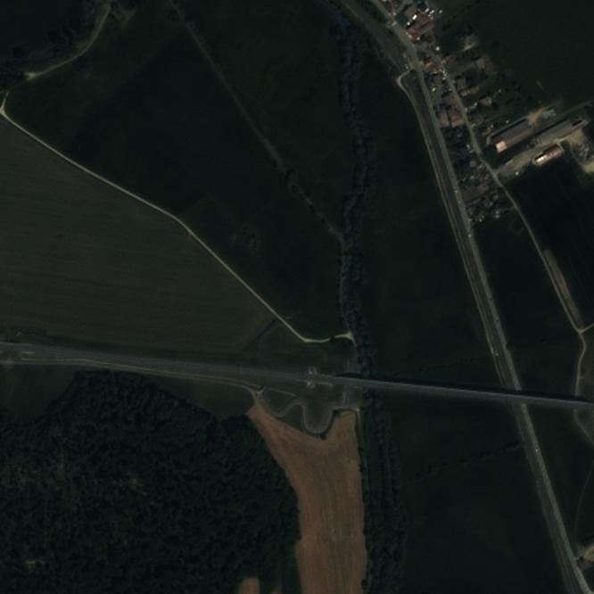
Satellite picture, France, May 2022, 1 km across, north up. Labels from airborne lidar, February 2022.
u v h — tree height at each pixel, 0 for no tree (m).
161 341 0
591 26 0
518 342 0
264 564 30
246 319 0
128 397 35
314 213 16
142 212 0
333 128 0
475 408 0
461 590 0
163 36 0
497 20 0
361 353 15
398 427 0
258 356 0
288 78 0
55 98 0
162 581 30
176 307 0
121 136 0
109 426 35
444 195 0
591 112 8
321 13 0
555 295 0
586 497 0
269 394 0
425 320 0
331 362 0
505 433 0
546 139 0
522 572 0
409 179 0
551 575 0
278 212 0
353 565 0
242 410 0
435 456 0
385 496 17
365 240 0
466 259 0
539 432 0
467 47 0
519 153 0
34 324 0
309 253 0
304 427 0
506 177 0
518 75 0
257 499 34
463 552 0
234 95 0
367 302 0
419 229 0
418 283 0
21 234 0
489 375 0
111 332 0
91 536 27
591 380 0
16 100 0
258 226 0
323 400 0
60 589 22
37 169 0
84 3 13
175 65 0
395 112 0
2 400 0
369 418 7
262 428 0
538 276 0
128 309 0
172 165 0
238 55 0
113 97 0
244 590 0
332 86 0
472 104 0
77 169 0
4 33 0
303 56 0
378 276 0
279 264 0
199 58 0
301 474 0
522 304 0
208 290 0
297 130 0
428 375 0
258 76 0
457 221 0
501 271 0
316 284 0
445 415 0
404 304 0
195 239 0
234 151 0
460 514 0
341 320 10
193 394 0
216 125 0
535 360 0
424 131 0
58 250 0
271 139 0
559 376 0
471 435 0
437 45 0
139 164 0
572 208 0
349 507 0
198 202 0
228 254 0
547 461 0
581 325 0
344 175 0
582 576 0
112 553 30
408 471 0
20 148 0
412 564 0
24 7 0
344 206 12
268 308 0
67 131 0
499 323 0
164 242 0
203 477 30
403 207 0
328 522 0
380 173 0
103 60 0
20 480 0
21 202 0
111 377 13
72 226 0
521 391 0
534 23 0
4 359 0
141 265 0
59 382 0
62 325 0
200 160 0
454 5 0
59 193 0
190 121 0
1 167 0
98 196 0
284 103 0
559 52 0
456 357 0
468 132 6
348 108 13
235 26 0
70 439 32
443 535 0
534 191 0
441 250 0
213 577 9
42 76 0
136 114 0
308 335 0
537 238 0
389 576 24
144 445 32
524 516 0
